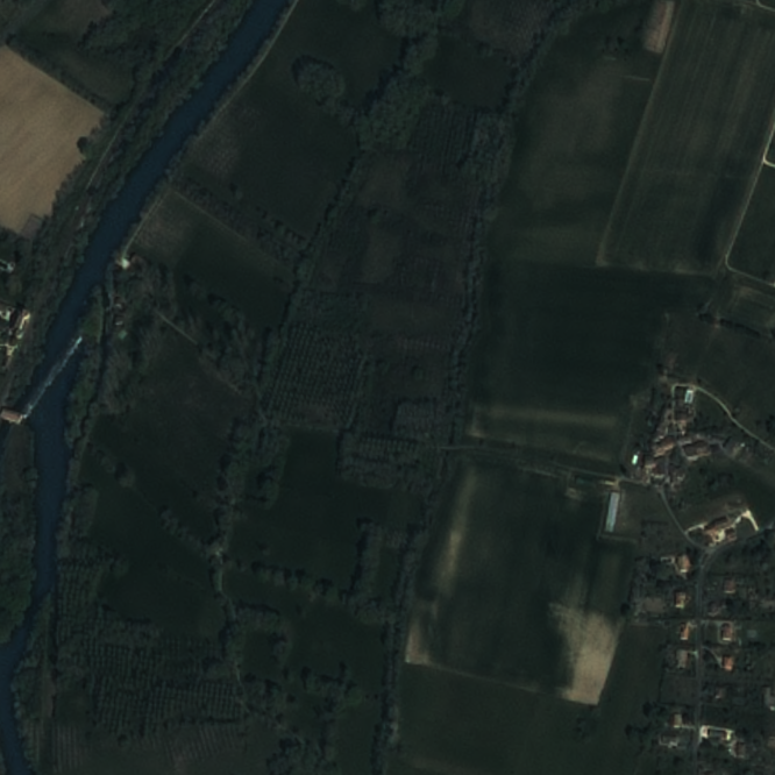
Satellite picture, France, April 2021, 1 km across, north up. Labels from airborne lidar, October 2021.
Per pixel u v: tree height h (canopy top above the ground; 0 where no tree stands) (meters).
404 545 21
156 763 0
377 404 16
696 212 0
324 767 18
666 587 11
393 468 18
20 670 17
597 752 0
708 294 0
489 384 0
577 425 0
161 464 0
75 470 22
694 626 0
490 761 0
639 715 0
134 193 0
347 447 19
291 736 9
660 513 0
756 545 8
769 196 0
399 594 17
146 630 17
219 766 0
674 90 0
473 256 9
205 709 17
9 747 0
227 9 17
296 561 0
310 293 10
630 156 0
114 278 10
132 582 0
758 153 0
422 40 13
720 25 0
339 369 16
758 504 0
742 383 0
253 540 0
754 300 0
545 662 0
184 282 0
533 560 0
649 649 0
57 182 0
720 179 0
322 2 0
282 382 20
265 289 0
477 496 0
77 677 22
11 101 0
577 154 0
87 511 19
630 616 16
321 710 0
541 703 0
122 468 0
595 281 0
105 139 15
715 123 0
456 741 0
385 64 0
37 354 18
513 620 0
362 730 0
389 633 19
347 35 0
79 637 23
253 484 0
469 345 13
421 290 8
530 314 0
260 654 0
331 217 12
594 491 0
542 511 0
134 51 10
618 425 0
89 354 17
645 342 0
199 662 13
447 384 13
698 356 0
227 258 0
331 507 0
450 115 16
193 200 17
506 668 0
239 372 21
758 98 0
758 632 0
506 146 21
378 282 8
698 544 11
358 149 9
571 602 0
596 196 0
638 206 0
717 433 6
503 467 0
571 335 0
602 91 0
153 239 11
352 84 0
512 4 18
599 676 0
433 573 0
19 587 30
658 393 8
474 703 0
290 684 15
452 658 0
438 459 26
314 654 0
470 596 0
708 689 7
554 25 15
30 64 12
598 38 0
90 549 21
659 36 6
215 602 8
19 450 0
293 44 0
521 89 18
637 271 0
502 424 0
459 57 0
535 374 0
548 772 0
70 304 0
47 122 0
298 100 0
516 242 0
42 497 0
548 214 0
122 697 21
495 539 0
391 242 0
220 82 0
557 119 0
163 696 19
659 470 0
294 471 0
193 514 0
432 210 15
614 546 0
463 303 15
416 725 0
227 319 18
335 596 23
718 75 0
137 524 0
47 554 0
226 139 17
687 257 0
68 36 0
